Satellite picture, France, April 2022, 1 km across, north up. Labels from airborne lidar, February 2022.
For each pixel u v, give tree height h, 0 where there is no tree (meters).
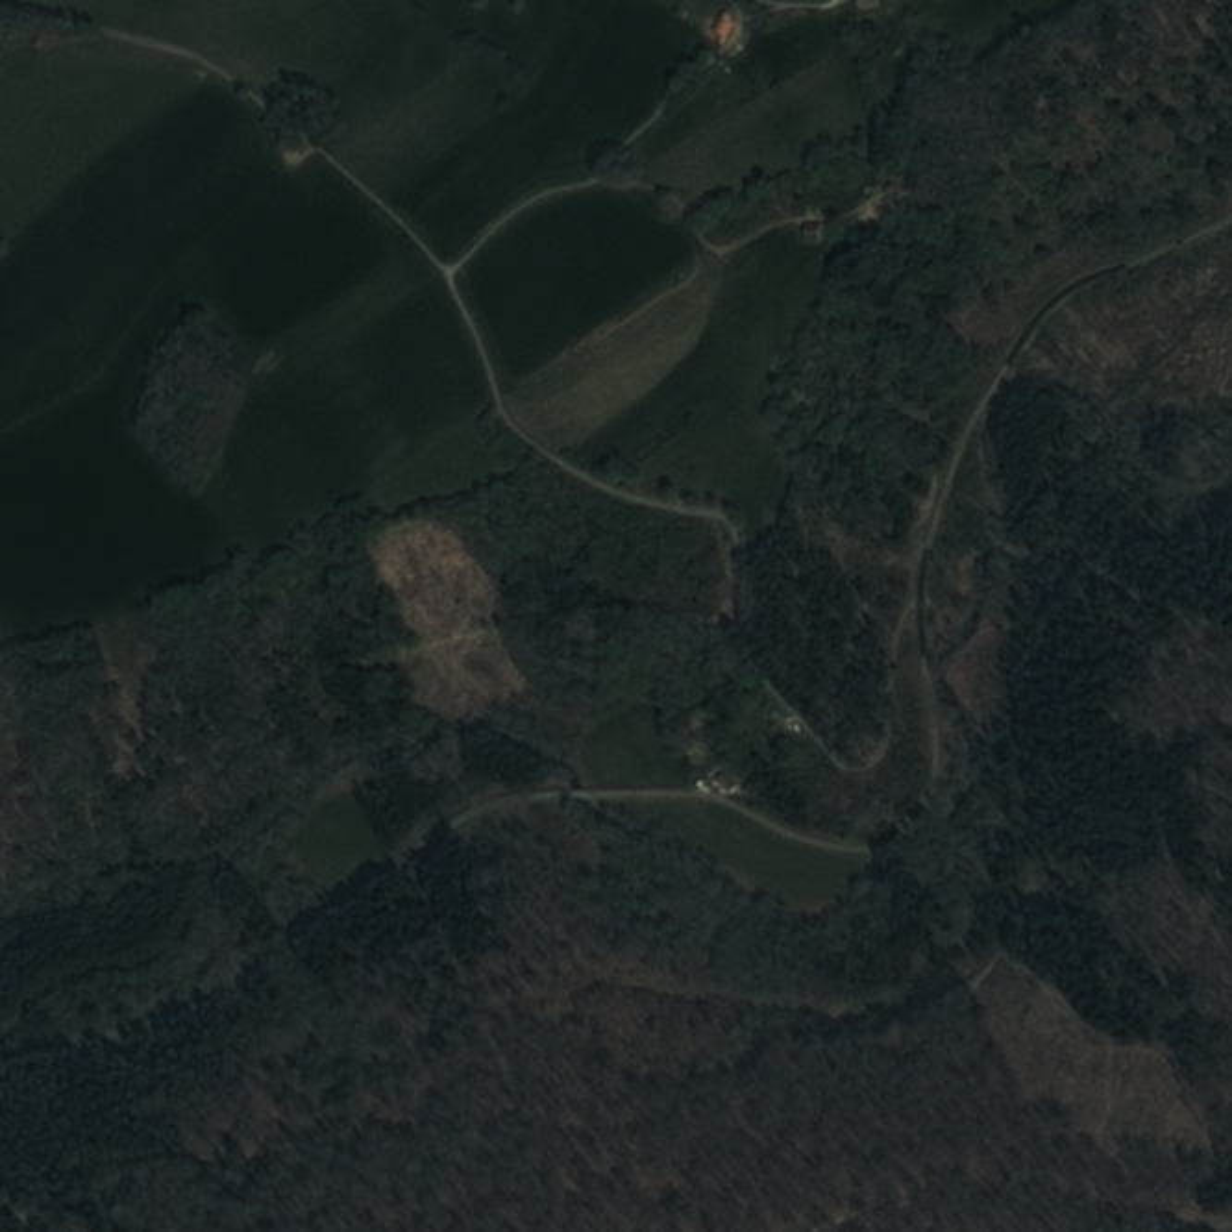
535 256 0
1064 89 29
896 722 26
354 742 32
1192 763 25
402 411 0
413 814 25
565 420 0
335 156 0
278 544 0
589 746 0
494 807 0
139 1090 25
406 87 0
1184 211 18
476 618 0
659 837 19
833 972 15
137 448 0
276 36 0
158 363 17
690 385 0
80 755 27
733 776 18
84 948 31
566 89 0
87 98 0
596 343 0
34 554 0
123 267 0
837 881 0
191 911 34
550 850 12
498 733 21
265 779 23
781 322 0
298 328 0
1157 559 27
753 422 0
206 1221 28
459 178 0
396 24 0
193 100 0
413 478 0
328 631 27
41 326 0
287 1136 13
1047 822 27
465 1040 31
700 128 0
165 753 24
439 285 0
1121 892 0
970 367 22
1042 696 32
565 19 0
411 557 0
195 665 28
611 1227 31
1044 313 0
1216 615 18
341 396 0
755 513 0
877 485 29
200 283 0
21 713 29
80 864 23
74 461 0
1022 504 26
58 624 0
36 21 23
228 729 30
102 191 0
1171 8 31
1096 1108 0
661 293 0
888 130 24
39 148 0
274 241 0
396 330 0
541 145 0
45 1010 19
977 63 9
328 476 0
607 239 0
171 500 0
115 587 0
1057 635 17
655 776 0
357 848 0
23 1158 22
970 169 33
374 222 0
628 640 30
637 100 0
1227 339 0
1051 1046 0
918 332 27
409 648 22
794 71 0
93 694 32
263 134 0
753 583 25
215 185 0
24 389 0
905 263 28
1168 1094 0
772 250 0
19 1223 17
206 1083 24
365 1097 28
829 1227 28
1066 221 17
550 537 19
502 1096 27
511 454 9
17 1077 25
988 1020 22
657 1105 31
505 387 0
